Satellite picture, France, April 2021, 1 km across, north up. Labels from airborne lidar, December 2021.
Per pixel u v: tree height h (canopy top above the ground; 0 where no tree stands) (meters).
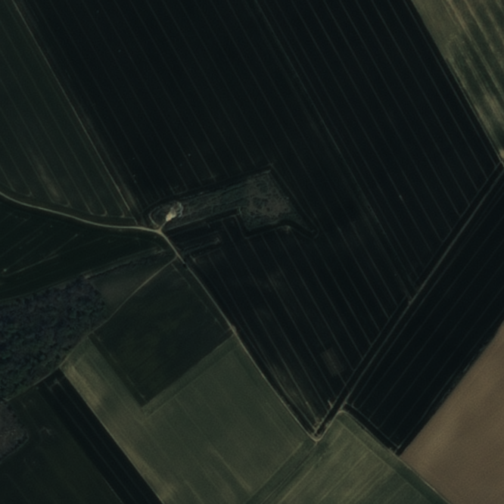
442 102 0
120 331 0
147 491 0
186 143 0
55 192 0
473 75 0
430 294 0
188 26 0
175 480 0
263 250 0
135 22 0
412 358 0
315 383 0
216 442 0
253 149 0
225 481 0
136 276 0
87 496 0
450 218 0
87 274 0
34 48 0
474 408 0
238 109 0
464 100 0
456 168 0
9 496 0
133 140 0
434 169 0
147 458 0
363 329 0
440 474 0
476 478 0
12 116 0
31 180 0
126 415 0
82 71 0
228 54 0
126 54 0
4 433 0
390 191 0
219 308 0
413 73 0
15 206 0
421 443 0
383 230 0
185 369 0
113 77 0
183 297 0
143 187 0
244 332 0
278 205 0
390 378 0
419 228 0
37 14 0
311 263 0
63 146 0
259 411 0
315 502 0
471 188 0
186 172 0
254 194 0
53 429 0
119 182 0
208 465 0
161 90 0
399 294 0
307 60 0
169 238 0
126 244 0
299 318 0
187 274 0
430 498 0
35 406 0
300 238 0
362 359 0
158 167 0
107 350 0
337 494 0
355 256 0
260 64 0
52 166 0
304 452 0
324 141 0
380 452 0
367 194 0
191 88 0
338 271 0
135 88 0
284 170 0
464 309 0
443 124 0
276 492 0
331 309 0
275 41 0
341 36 0
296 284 0
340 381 0
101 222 0
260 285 0
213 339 0
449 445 0
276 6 0
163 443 0
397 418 0
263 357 0
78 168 0
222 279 0
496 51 0
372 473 0
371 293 0
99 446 0
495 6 0
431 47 0
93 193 0
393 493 0
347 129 0
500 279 0
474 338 0
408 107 0
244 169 0
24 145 0
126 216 0
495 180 0
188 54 0
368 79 0
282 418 0
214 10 0
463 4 0
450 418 0
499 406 0
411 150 0
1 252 0
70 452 0
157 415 0
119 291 0
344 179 0
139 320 0
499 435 0
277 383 0
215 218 0
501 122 0
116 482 0
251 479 0
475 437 0
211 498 0
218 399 0
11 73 0
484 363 0
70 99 0
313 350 0
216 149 0
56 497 0
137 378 0
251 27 0
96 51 0
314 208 0
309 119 0
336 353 0
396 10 0
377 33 0
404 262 0
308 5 0
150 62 0
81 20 0
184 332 0
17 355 18
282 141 0
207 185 0
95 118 0
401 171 0
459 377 0
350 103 0
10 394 14
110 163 0
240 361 0
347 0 0
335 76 0
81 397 0
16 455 0
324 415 0
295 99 0
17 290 0
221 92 0
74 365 0
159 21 0
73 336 10
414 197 0
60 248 0
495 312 0
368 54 0
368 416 0
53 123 0
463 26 0
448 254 0
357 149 0
